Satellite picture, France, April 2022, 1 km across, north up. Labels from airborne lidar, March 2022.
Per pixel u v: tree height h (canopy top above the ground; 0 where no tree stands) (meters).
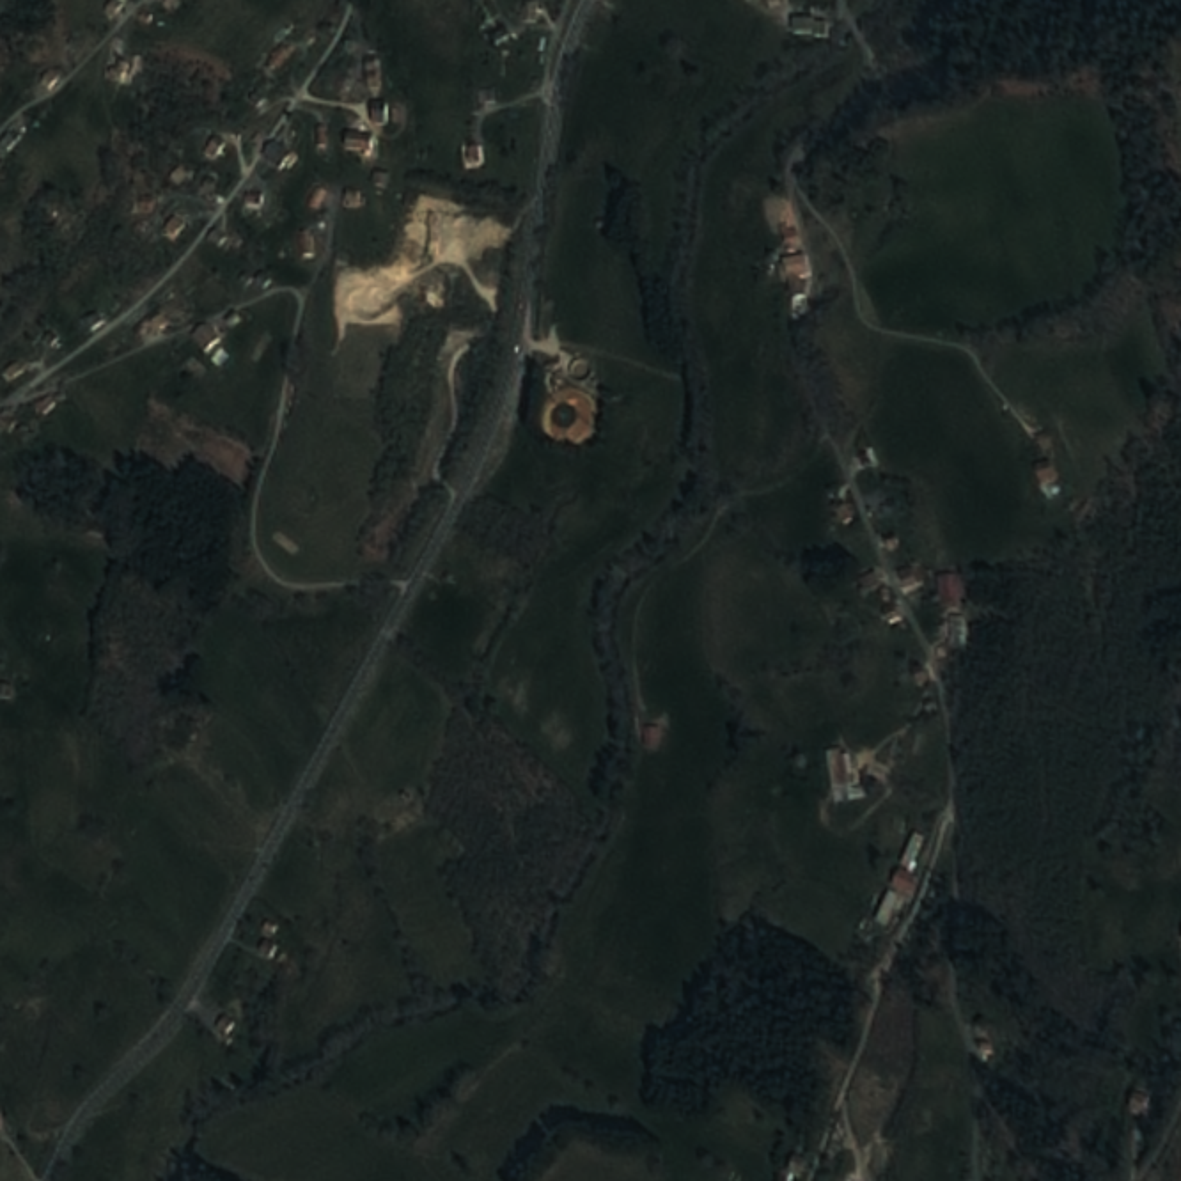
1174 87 16
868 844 0
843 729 0
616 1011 0
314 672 0
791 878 0
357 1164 0
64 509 29
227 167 0
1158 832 19
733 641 0
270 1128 0
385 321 0
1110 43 23
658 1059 26
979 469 0
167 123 13
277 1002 13
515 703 0
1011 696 10
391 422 12
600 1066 0
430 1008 16
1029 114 0
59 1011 0
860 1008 29
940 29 33
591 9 0
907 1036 0
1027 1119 32
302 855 0
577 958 0
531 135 0
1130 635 8
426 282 0
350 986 0
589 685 0
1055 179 0
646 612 0
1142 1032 0
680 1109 24
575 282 0
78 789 0
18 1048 0
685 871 0
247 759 0
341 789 0
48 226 21
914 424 0
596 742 0
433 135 0
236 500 23
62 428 0
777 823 0
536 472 0
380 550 8
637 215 29
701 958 0
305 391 0
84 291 0
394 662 0
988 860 10
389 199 0
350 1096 0
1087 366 0
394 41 0
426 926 0
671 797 0
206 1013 0
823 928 0
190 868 0
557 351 0
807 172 12
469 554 0
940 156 0
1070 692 10
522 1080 0
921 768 0
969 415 0
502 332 19
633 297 0
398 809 0
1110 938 0
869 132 20
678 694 0
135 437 0
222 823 0
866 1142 0
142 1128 0
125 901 0
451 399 0
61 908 0
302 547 0
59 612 0
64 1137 0
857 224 0
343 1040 20
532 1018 0
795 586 0
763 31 0
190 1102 12
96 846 20
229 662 0
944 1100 0
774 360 0
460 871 9
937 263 0
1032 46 24
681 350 23
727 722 0
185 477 17
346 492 0
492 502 9
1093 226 0
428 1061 0
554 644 0
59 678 0
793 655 0
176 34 0
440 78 0
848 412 16
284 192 0
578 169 18
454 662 0
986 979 31
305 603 18
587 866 10
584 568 0
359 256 0
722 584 0
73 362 0
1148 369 0
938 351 0
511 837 7
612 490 0
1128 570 7
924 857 0
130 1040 0
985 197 0
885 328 0
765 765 0
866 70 0
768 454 0
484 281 0
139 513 12
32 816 0
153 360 0
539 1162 25
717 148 17
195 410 0
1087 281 0
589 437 0
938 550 0
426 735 0
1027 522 0
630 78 0
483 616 0
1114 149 0
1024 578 8
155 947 0
